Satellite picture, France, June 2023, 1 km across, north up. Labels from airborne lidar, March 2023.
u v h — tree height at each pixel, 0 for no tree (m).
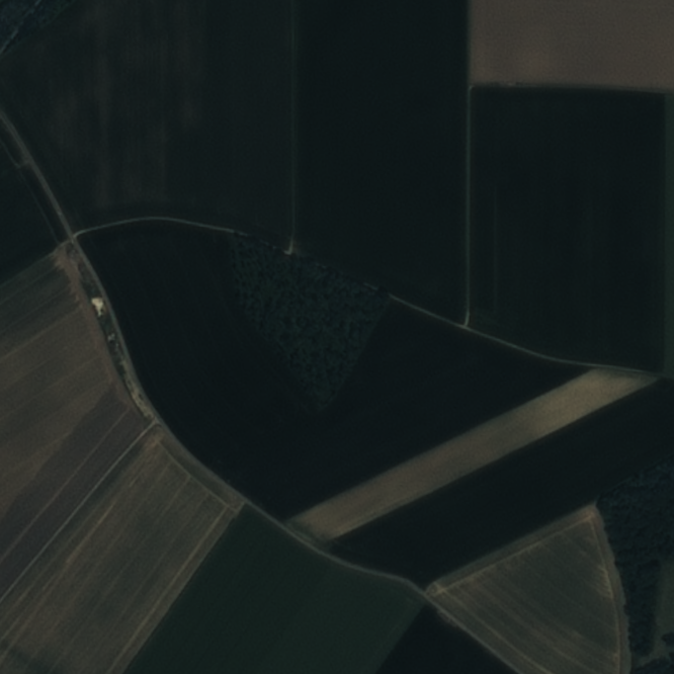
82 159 0
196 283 0
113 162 0
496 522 0
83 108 0
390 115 0
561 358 0
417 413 0
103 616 0
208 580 0
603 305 0
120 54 0
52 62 0
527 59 0
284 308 16
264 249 12
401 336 0
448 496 0
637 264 0
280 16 0
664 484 27
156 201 0
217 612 0
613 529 14
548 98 0
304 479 0
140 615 0
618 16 0
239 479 0
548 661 0
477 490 0
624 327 0
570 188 0
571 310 0
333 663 0
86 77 0
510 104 0
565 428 0
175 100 0
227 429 0
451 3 0
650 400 0
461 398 0
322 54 0
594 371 0
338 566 0
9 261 0
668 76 0
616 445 0
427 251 0
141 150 0
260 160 0
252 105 0
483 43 0
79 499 0
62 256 0
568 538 0
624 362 0
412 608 0
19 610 0
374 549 0
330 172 0
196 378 0
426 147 0
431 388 0
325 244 0
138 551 0
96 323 0
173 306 0
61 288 0
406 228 0
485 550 0
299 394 0
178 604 0
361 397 0
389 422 0
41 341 0
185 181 0
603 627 0
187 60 0
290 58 0
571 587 0
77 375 0
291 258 10
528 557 0
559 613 0
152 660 0
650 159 0
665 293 0
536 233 0
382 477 0
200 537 0
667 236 0
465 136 0
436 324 0
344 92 0
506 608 0
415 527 0
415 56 0
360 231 0
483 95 0
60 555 0
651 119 0
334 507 0
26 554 0
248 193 0
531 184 0
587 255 0
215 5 0
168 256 0
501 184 0
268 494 0
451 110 0
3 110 0
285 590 0
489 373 0
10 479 0
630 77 0
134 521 0
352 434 0
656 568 18
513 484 0
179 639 0
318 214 0
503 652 0
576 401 0
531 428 0
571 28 0
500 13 0
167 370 0
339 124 0
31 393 0
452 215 0
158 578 0
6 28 15
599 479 0
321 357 20
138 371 0
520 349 0
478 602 0
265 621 0
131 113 0
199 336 0
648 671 15
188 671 0
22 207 0
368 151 0
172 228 0
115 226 0
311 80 0
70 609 0
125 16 0
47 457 0
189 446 0
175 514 0
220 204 0
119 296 0
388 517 0
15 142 0
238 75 0
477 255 0
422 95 0
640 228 0
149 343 0
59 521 0
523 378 0
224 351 0
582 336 0
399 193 0
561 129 0
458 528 0
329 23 0
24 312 0
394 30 0
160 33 0
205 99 0
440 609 0
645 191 0
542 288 0
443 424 0
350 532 0
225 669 0
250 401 0
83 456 0
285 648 0
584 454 0
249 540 0
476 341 0
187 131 0
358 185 0
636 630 18
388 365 0
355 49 0
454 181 0
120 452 0
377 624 0
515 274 0
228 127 0
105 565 0
